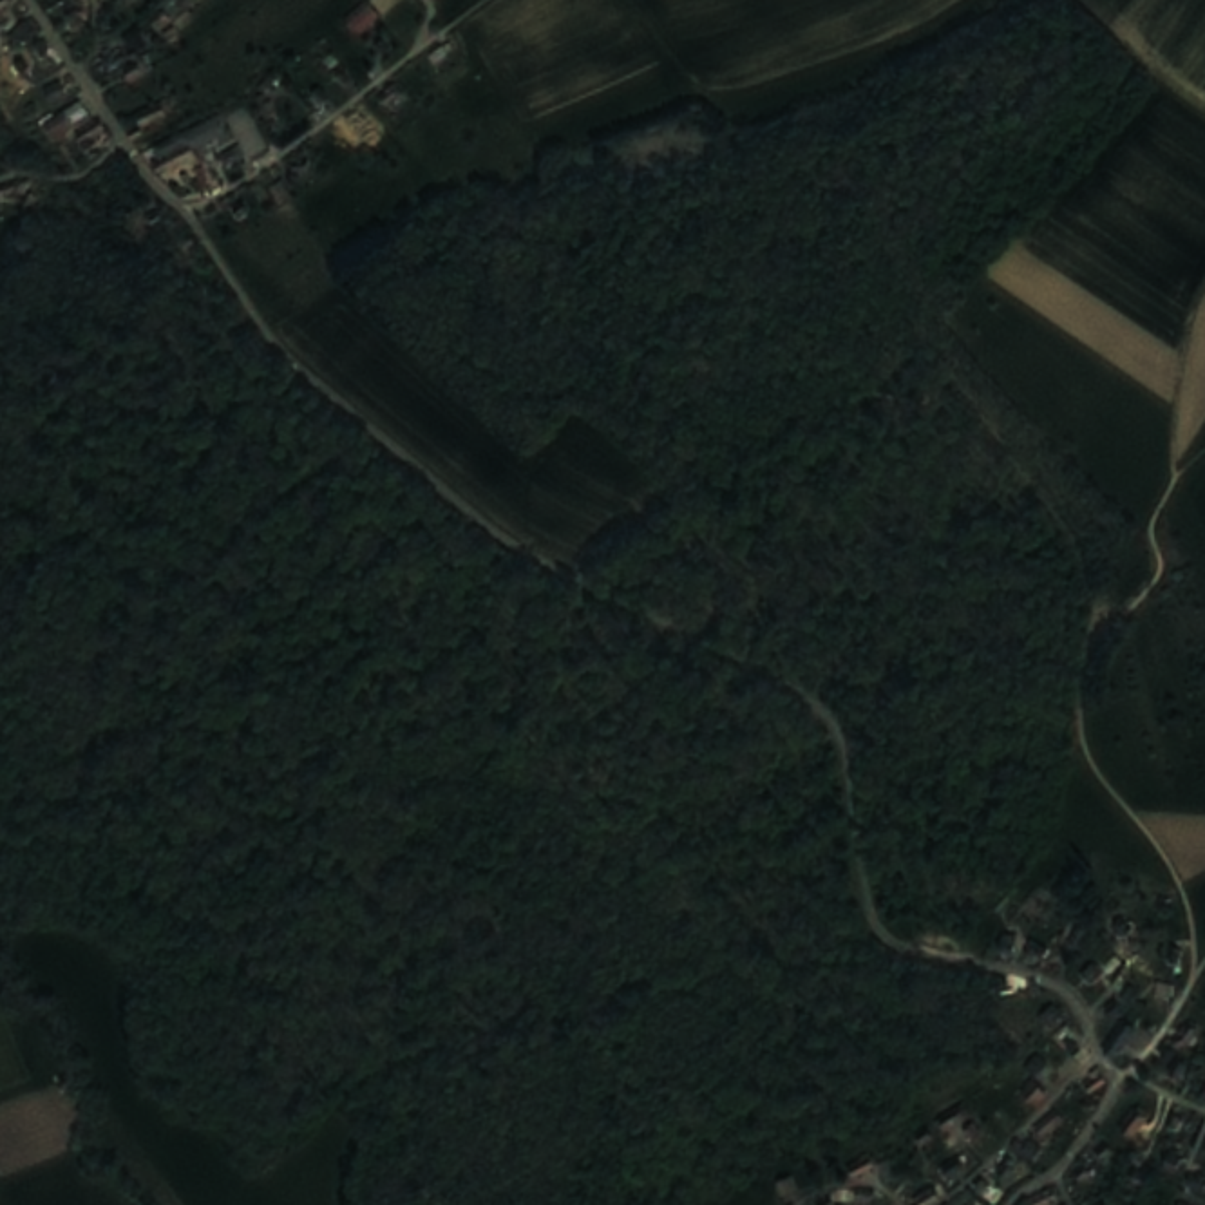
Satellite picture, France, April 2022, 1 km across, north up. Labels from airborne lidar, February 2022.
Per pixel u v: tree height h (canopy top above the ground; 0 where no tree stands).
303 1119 22
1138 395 0
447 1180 23
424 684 17
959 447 34
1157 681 0
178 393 29
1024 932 0
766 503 30
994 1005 17
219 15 0
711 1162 28
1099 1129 7
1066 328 0
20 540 29
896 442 34
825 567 32
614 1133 18
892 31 0
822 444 28
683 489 30
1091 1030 0
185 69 0
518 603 32
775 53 0
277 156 0
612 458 0
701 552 34
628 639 32
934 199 33
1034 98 37
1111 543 24
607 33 0
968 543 30
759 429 20
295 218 0
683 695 33
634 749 34
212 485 32
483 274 24
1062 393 0
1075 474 21
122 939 28
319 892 35
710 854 30
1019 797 30
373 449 27
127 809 31
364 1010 34
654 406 30
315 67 0
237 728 29
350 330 0
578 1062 24
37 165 22
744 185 24
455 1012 29
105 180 6
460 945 34
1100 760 0
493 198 26
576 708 34
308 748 27
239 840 30
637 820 32
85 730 28
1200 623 0
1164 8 0
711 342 26
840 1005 27
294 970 33
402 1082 24
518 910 26
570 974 24
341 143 0
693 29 0
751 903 31
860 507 32
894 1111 23
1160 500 0
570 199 26
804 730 26
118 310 22
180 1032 31
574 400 23
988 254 23
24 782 26
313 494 25
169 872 28
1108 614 0
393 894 29
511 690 29
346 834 30
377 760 26
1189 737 0
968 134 31
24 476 29
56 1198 0
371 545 30
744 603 37
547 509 0
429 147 0
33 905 30
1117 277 0
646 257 29
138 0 0
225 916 29
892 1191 0
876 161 29
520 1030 29
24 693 31
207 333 26
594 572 28
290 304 0
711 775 31
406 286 32
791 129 22
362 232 0
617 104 0
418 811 26
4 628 30
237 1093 32
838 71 0
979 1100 0
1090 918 17
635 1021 24
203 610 33
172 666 31
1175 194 0
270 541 35
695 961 26
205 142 0
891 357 28
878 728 30
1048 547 29
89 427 30
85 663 33
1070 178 19
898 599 34
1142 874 0
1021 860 29
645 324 25
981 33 19
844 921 29
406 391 0
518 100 0
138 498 25
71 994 0
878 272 26
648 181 19
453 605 28
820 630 28
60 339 27
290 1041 30
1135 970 0
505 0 0
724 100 0
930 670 29
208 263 20
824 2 0
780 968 31
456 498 0
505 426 25
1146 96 20
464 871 30
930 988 29
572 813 24
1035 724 29
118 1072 0
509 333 30
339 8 0
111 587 28
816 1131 27
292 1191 0
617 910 26
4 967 16
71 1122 0
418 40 0
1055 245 0
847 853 16
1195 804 0
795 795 28
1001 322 0
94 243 23
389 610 30
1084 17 24
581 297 24
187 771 33
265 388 29
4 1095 0
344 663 30
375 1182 18
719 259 25
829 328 23
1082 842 0
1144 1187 10
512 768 22
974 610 31
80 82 0
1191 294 0
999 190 28
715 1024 22
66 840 20
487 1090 22
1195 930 0
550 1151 22
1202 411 0
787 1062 27
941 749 28
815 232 25
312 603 27
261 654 27
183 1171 0
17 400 33
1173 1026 0
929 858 26
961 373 25
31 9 0
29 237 22
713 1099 26
